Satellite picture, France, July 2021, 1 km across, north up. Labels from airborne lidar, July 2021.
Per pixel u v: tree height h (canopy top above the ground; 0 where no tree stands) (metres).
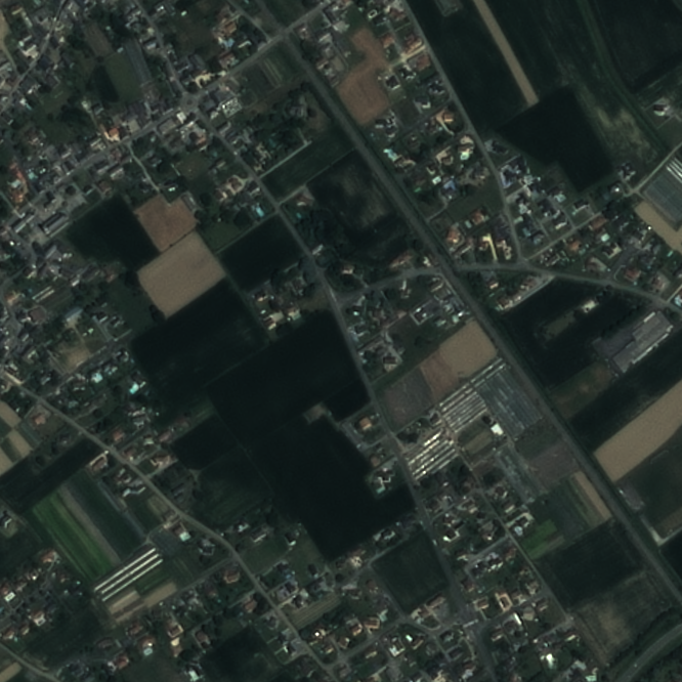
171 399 0
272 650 0
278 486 0
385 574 0
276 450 0
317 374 0
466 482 0
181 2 0
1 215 14
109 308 0
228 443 0
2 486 0
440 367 0
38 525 0
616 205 14
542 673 8
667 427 0
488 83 0
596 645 0
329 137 0
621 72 0
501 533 10
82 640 0
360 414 0
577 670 0
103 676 7
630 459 0
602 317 0
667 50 0
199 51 7
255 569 0
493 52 0
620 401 0
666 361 0
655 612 0
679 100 0
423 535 0
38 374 6
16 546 0
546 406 0
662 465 0
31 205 0
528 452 0
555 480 0
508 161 0
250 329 0
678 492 0
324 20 0
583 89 0
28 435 0
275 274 13
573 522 0
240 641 0
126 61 0
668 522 0
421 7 0
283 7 0
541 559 0
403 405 0
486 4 0
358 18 0
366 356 10
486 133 0
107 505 0
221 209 7
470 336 0
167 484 10
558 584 0
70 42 8
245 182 0
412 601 0
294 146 11
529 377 0
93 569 0
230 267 0
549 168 0
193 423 0
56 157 0
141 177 0
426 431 0
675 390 0
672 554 0
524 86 0
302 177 0
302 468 0
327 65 6
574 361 0
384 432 0
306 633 13
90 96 0
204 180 0
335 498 0
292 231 0
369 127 0
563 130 0
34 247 10
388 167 0
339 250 18
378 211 0
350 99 0
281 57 0
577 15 0
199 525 0
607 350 0
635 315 15
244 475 0
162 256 0
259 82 0
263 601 16
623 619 0
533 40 0
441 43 0
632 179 0
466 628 0
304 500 0
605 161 0
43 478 0
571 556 0
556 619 0
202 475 0
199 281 0
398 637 8
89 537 0
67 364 0
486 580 0
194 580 0
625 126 0
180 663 6
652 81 0
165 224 0
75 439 0
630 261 0
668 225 0
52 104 0
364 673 0
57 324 7
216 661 0
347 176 0
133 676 0
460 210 0
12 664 0
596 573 0
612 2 0
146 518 0
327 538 0
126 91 0
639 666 0
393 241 0
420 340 8
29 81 0
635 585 0
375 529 0
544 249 0
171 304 0
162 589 0
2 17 0
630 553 0
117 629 0
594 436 0
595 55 0
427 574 0
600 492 0
